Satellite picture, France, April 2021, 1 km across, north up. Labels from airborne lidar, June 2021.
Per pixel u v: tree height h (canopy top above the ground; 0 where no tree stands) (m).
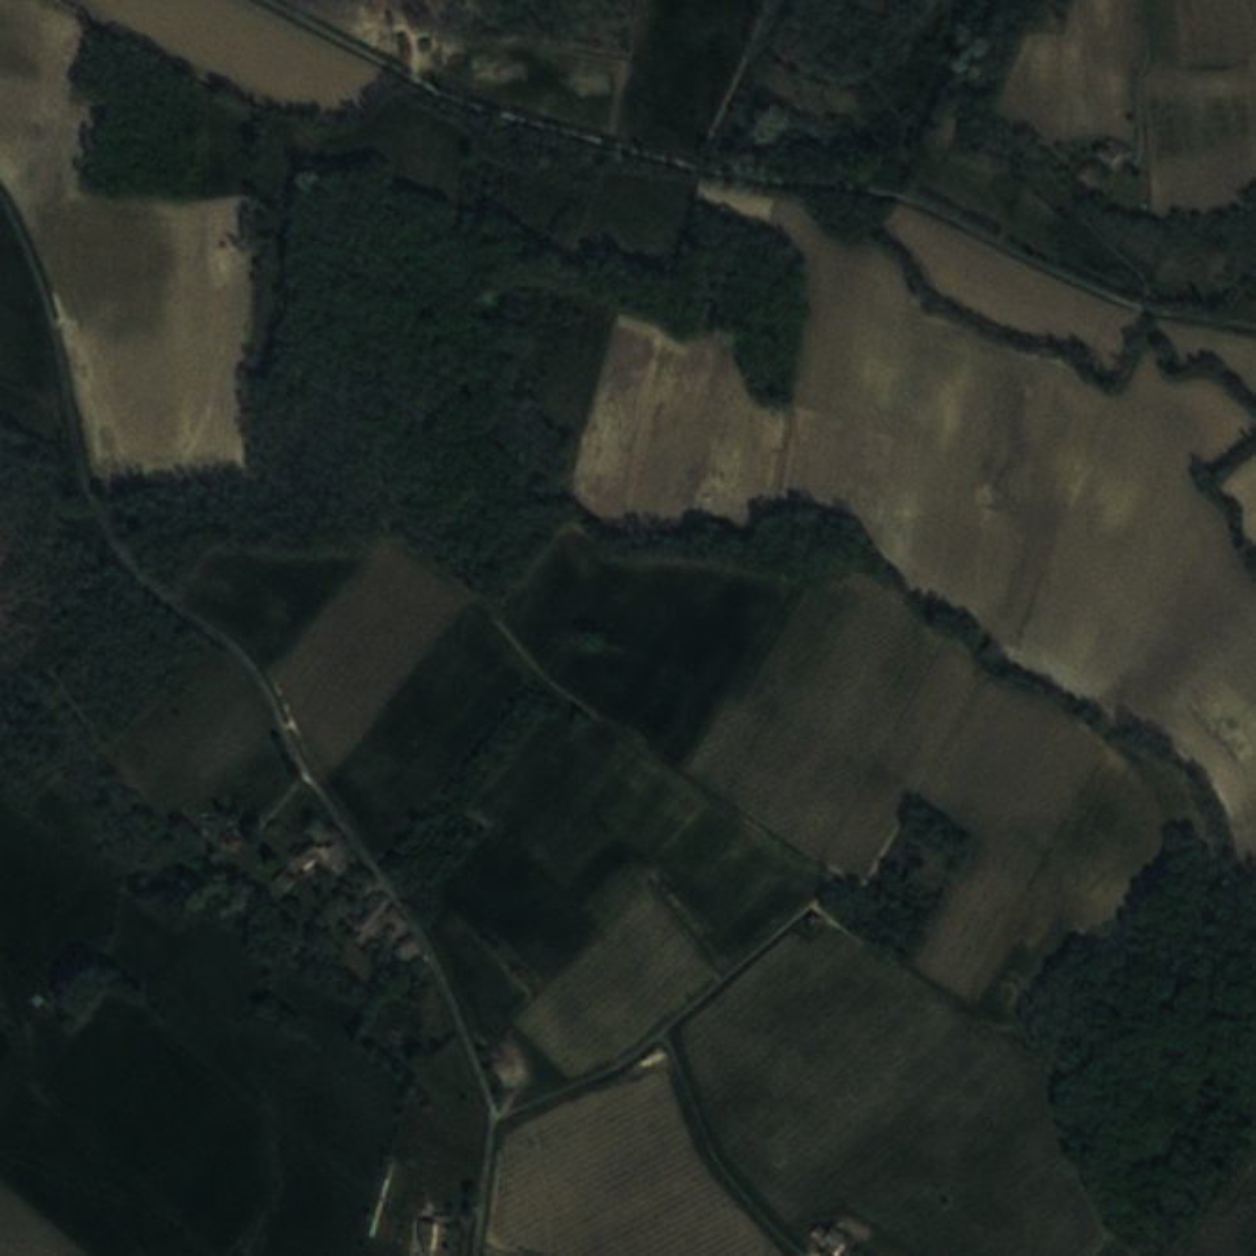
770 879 0
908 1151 0
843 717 0
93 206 0
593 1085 0
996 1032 0
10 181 0
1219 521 0
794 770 0
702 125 0
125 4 0
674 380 0
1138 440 0
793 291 26
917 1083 0
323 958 22
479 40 23
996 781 0
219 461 0
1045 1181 0
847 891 14
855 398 0
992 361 0
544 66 0
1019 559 0
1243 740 0
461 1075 0
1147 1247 15
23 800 16
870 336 0
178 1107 0
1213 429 0
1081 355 19
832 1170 0
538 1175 0
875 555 15
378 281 21
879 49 19
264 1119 0
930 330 0
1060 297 0
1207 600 0
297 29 0
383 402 19
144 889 15
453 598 0
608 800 0
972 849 15
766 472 0
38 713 24
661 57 0
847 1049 0
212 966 0
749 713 0
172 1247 0
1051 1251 0
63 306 0
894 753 0
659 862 0
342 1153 0
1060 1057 19
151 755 0
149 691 15
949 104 18
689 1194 0
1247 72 0
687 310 20
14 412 0
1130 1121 26
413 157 0
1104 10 0
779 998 0
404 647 0
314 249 21
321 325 20
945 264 0
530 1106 0
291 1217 0
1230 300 12
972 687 0
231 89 19
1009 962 0
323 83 0
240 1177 0
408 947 0
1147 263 7
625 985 0
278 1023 7
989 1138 0
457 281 23
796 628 0
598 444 0
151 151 22
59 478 19
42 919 0
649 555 17
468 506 18
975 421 0
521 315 26
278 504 20
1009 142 18
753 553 17
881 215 14
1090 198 11
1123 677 0
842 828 0
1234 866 21
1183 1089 19
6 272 0
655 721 0
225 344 0
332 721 0
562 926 0
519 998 0
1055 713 0
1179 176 0
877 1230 0
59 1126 0
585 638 15
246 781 0
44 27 0
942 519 0
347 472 21
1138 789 0
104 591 13
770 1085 0
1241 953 21
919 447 0
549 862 0
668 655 0
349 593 0
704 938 0
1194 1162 21
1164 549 0
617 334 0
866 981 0
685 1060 0
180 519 23
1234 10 0
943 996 0
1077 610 0
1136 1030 27
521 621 0
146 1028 0
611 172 10
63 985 17
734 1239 0
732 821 0
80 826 0
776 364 18
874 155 27
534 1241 0
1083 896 0
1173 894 25
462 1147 0
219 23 0
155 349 0
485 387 24
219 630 0
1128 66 0
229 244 0
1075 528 0
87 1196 0
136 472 0
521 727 10
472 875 0
